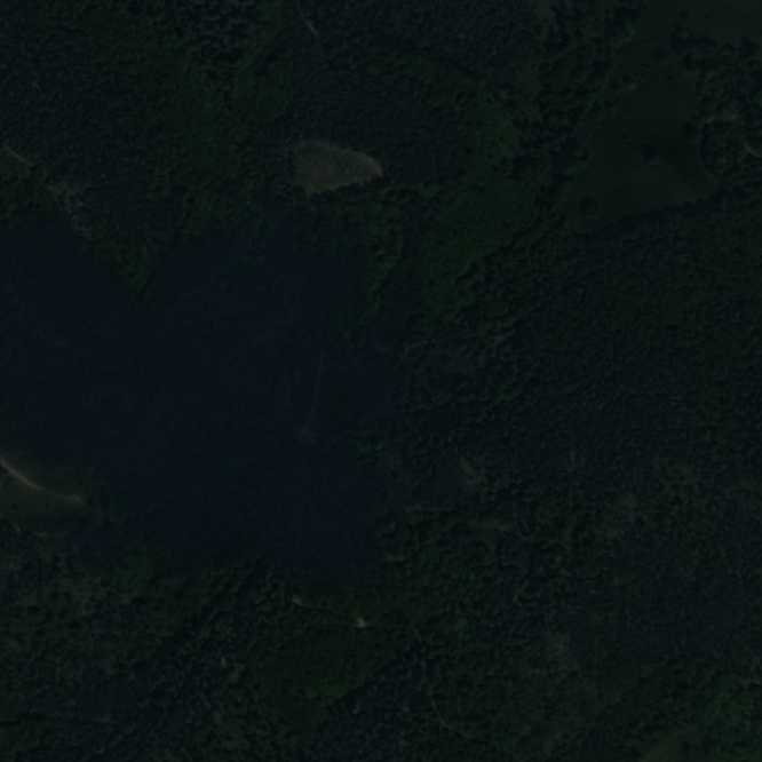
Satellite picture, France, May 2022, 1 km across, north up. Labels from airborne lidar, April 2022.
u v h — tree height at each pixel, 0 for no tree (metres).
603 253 21
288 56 19
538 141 30
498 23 33
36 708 25
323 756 29
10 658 24
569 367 24
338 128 22
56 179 20
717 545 22
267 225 26
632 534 24
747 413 27
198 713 24
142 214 24
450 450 25
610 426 28
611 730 14
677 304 18
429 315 29
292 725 13
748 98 27
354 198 22
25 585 22
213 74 33
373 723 28
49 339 8
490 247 19
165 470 20
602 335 21
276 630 14
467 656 26
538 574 10
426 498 20
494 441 27
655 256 19
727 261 24
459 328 9
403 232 22
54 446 10
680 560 26
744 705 22
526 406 24
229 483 17
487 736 21
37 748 30
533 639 25
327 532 26
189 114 25
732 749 26
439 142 25
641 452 23
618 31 27
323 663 26
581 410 21
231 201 27
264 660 14
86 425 11
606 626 27
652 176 0
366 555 22
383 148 19
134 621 26
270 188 24
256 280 30
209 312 29
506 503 24
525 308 18
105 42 20
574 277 24
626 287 17
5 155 0
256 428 13
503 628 16
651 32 0
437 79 21
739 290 22
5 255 16
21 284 20
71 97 21
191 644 32
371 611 14
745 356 25
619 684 22
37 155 13
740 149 17
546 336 20
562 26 23
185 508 20
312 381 0
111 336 23
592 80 35
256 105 26
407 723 25
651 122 0
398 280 23
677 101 0
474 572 23
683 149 0
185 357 0
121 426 15
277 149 23
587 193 0
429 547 22
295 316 21
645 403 22
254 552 20
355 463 17
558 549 13
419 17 31
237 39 40
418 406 12
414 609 18
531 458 26
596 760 23
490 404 12
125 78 23
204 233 21
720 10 0
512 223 25
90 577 19
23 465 0
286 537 17
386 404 0
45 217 10
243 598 28
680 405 20
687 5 0
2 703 24
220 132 23
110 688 27
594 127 0
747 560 21
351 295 22
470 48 30
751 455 26
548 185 14
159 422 23
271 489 19
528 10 30
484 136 24
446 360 12
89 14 24
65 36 24
